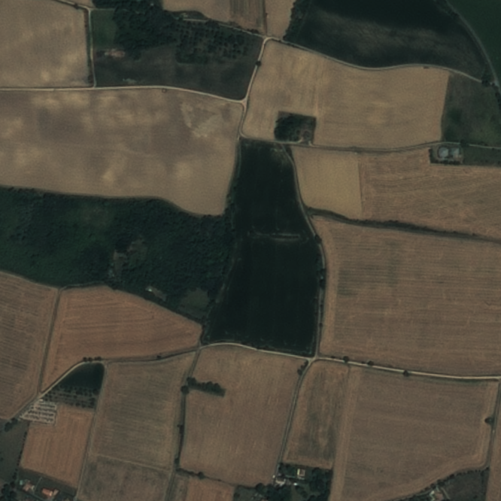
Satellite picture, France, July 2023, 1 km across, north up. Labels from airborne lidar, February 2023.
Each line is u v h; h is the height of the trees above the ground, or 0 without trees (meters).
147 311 0
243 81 0
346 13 0
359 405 0
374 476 0
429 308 0
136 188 0
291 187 0
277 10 0
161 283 9
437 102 0
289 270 0
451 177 0
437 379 0
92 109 0
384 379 0
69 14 0
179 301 9
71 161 0
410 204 0
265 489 13
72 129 0
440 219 0
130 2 11
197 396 0
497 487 0
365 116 0
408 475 0
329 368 0
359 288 0
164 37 12
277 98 0
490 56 0
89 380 0
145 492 0
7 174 0
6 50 0
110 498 0
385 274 0
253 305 0
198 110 0
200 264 13
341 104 0
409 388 0
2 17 0
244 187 0
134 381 0
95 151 0
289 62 0
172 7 0
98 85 0
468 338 0
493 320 0
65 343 0
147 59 0
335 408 0
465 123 0
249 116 0
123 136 0
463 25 0
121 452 0
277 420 0
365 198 0
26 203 12
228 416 0
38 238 9
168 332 0
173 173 0
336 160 0
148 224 17
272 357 0
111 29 0
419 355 0
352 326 0
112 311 0
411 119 0
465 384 0
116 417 0
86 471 0
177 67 0
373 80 0
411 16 0
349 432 0
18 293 0
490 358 0
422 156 0
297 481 10
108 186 0
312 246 0
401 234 0
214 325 0
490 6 0
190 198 0
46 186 0
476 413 0
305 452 0
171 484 0
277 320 0
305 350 0
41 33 0
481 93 0
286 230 0
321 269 12
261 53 0
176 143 0
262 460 0
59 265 7
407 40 0
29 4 0
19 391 0
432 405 0
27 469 0
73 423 0
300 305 0
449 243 0
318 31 0
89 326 0
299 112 0
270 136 0
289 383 0
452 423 0
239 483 0
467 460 0
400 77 0
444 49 0
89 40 0
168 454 0
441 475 0
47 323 0
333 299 0
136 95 0
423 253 0
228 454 0
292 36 9
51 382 0
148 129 0
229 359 0
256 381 0
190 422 0
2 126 0
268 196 0
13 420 8
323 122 0
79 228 13
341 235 0
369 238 0
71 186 0
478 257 0
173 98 0
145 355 0
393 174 0
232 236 19
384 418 0
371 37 0
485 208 0
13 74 0
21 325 0
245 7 0
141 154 0
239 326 0
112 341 0
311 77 0
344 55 0
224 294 0
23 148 0
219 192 0
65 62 0
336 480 0
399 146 0
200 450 0
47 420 0
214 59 0
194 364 0
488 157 0
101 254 12
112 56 0
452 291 0
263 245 0
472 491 0
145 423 0
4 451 0
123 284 10
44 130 0
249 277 0
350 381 0
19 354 0
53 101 0
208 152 0
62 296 0
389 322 0
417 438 0
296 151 0
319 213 0
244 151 0
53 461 0
